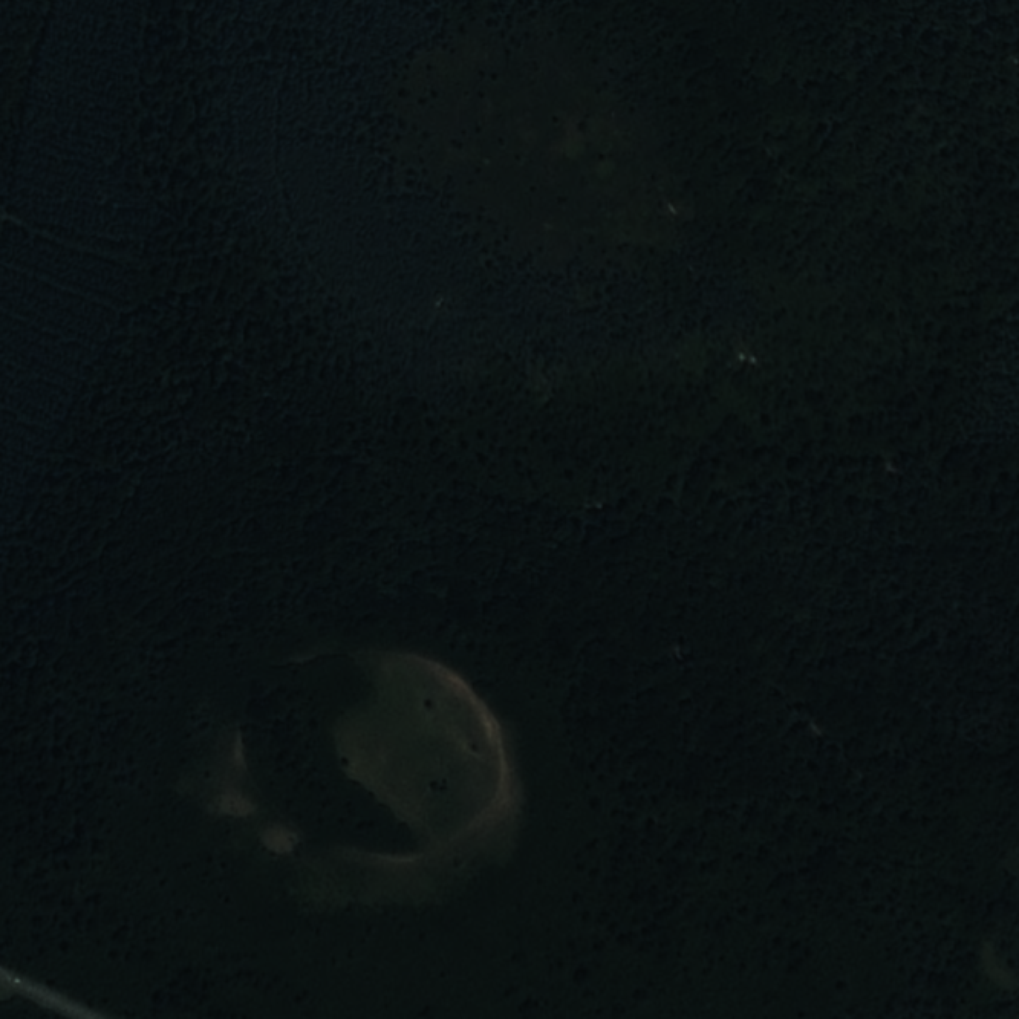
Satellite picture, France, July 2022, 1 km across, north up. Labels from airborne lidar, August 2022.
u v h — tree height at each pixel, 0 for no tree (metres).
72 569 19
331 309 16
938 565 19
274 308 7
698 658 21
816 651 17
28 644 20
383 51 13
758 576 21
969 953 16
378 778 0
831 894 9
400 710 0
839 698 20
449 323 7
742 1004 8
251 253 15
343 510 17
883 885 7
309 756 8
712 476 21
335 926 7
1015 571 19
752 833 8
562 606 15
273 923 6
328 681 6
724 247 8
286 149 17
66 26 21
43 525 20
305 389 20
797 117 12
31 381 16
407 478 6
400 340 17
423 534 7
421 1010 6
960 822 9
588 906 7
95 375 18
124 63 22
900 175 7
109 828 10
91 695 8
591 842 13
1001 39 14
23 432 14
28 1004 6
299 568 16
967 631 15
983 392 20
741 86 17
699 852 20
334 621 10
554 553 21
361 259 15
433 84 0
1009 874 10
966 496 19
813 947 8
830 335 6
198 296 19
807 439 13
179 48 19
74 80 18
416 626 12
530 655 8
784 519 21
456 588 20
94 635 20
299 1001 14
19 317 8
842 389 8
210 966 8
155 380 13
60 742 10
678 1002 8
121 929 12
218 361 22
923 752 14
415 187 11
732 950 7
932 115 12
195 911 6
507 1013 6
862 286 8
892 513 24
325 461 16
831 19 19
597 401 7
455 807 0
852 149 16
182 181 23
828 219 12
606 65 0
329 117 11
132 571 20
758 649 20
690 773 20
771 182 12
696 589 19
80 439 21
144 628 10
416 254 13
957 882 7
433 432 6
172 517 22
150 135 18
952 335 19
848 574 20
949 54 18
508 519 26
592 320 11
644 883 13
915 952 7
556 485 6
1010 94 27
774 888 13
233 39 16
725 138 9
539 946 8
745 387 13
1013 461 18
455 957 5
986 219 10
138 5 19
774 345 6
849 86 15
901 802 8
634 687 11
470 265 11
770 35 16
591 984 8
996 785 7
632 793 15
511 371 9
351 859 0
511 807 0
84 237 22
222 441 16
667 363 10
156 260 17
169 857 6
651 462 6
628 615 19
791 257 11
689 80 11
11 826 19
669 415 14
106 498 21
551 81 0
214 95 16
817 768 20
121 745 11
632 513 15
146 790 11
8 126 10
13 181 24
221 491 21
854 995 7
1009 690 19
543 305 11
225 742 0
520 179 0
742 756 21
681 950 9
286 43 10
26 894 9
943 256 13
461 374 9
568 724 10
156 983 8
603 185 0
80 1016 0
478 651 7
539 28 0
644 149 0
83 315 13
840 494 21
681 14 13
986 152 16
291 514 18
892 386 21
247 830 0
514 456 7
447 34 10
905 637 18
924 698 16
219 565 19
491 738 0
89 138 20
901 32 19
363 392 14
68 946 17
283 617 10
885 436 10
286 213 9
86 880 10
